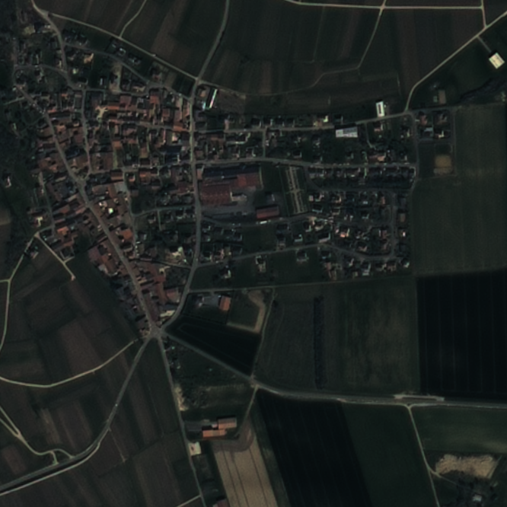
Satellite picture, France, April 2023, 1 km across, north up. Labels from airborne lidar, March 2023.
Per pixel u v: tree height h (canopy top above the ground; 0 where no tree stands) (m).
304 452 0
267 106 0
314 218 0
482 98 0
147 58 0
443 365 0
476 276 0
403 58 0
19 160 10
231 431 0
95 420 0
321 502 0
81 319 0
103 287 0
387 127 0
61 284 0
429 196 0
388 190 0
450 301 0
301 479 0
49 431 0
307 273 0
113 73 0
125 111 0
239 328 0
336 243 6
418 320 0
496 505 0
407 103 0
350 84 0
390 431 0
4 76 0
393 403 0
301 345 0
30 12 0
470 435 0
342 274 0
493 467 0
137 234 0
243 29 0
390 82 0
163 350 0
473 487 11
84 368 0
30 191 0
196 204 0
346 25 0
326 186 6
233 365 0
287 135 0
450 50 0
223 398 0
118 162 0
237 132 0
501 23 0
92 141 0
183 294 0
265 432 0
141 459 0
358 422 0
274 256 0
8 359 0
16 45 0
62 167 0
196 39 0
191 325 0
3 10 10
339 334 0
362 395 0
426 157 0
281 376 0
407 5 0
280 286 0
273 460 0
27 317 0
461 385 0
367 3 0
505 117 0
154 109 0
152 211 0
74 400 0
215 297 0
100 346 0
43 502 0
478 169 0
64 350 0
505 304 0
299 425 0
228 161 0
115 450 0
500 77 0
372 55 0
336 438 0
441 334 0
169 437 0
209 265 0
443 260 0
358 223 0
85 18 0
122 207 0
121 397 0
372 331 0
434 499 0
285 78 0
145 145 0
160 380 0
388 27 0
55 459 0
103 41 0
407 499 0
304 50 0
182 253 0
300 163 0
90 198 0
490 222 0
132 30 0
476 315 0
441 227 0
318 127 0
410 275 0
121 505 0
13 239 8
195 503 0
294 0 0
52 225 0
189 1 0
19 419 0
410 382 0
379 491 0
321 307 10
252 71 0
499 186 0
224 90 0
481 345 0
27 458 0
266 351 0
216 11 0
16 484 0
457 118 0
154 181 0
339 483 0
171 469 0
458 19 0
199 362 0
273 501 0
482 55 0
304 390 0
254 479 0
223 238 0
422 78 0
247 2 0
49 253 0
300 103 0
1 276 0
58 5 0
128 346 0
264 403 0
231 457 0
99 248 0
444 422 0
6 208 0
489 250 0
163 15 0
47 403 0
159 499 0
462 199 0
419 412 0
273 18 0
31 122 13
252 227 0
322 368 10
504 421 0
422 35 0
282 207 0
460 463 0
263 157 0
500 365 0
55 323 0
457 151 0
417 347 0
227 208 0
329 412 0
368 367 0
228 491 0
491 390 0
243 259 0
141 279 0
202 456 0
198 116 0
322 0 0
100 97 0
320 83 0
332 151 6
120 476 0
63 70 0
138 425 0
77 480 0
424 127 0
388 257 0
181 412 0
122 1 0
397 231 0
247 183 0
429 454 0
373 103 0
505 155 0
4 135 17
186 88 0
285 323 0
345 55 0
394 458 0
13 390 0
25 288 0
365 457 0
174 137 0
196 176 0
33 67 0
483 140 0
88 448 0
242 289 0
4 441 0
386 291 0
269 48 0
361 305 0
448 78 0
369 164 0
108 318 0
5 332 0
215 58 0
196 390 0
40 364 0
